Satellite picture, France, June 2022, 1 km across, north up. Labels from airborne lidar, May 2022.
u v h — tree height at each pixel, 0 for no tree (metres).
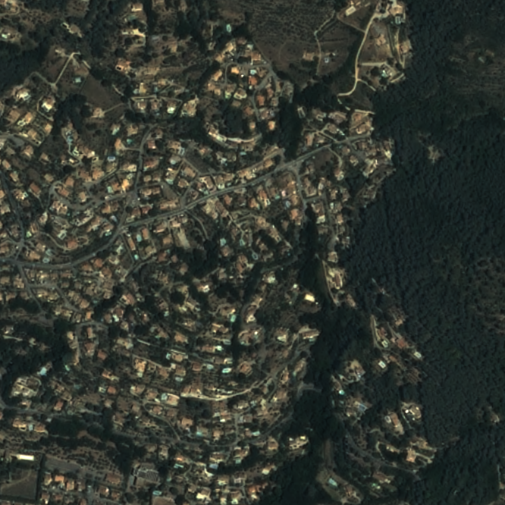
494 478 8
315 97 16
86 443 12
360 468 18
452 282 20
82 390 6
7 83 17
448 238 19
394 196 21
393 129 13
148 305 15
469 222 20
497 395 24
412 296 8
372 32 0
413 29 10
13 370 31
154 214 15
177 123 20
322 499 18
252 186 13
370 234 18
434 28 16
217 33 11
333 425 25
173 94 12
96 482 10
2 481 13
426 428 19
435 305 18
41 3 19
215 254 12
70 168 15
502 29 7
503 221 19
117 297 12
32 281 5
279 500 16
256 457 17
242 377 11
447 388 19
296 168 0
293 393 11
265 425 9
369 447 12
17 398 8
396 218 19
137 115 14
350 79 0
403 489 14
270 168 7
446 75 8
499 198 13
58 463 0
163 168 7
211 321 10
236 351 14
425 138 9
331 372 10
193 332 9
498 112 8
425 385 21
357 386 20
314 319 21
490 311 23
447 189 21
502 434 22
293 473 19
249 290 14
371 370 11
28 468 10
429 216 14
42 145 5
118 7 21
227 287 14
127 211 10
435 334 20
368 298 16
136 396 8
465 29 8
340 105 9
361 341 13
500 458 17
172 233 5
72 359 18
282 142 17
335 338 19
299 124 21
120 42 5
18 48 14
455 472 23
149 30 12
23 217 7
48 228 13
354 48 8
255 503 8
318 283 14
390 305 20
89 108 15
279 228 6
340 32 0
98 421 21
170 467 7
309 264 18
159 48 0
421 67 16
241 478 0
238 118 18
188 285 12
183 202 0
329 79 12
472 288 19
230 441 6
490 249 16
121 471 13
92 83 0
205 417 19
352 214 22
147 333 11
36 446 7
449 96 9
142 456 19
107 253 12
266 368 9
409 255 17
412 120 16
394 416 0
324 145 7
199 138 7
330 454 0
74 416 10
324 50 7
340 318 22
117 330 9
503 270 22
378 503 11
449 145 18
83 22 20
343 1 15
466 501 17
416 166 7
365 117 0
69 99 6
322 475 0
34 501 12
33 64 22
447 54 16
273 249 11
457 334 21
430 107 16
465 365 20
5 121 8
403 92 21
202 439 7
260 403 8
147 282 7
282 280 11
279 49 0
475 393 19
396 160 15
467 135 15
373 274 10
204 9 17
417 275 21
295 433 19
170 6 10
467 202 18
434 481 7
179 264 12
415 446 7
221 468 10
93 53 9
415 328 24
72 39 17
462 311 20
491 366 20
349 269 22
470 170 18
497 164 15
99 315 11
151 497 6
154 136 10
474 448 21
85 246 6
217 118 16
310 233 21
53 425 13
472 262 13
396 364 12
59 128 13
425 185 13
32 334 18
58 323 13
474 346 21
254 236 7
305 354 11
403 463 7
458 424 23
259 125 15
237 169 8
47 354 13
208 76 13
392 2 10
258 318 19
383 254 19
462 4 8
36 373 10
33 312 15
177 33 10
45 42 12
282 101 10
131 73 6
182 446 9
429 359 19
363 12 0
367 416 12
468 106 10
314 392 20
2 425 6
